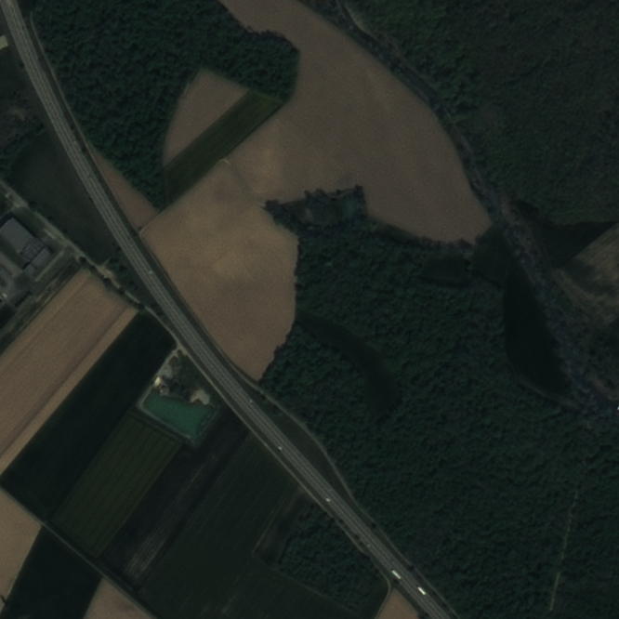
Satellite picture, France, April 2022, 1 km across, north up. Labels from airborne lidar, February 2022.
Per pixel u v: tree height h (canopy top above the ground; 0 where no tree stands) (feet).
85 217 0
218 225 0
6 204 0
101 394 0
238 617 0
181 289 0
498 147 61
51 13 66
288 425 0
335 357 43
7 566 0
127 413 0
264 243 0
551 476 74
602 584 64
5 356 0
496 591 62
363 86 0
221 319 0
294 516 0
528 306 0
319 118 0
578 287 0
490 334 68
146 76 46
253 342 0
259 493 0
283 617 0
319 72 0
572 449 79
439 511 31
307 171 0
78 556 0
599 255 0
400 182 0
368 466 61
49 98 0
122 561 0
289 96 58
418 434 66
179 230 0
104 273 0
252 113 0
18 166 0
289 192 0
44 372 0
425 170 0
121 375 0
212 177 0
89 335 0
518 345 0
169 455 0
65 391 0
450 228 0
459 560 54
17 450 0
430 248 79
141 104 62
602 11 63
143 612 0
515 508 52
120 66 55
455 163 0
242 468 0
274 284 0
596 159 81
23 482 0
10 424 0
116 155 37
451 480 51
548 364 0
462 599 63
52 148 0
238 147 0
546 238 0
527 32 51
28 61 0
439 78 101
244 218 0
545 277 56
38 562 0
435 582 40
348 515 0
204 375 0
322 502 0
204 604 0
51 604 0
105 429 0
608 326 0
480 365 83
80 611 0
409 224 0
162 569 0
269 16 0
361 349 0
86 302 0
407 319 44
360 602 41
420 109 0
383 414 0
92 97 92
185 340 0
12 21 0
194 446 0
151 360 0
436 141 0
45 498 0
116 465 0
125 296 39
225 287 0
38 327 0
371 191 0
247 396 0
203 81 0
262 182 0
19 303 22
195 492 0
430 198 0
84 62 74
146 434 0
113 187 0
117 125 58
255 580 0
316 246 64
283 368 28
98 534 0
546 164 59
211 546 0
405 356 67
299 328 38
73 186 0
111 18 80
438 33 56
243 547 0
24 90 0
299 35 0
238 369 0
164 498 0
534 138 56
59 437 0
